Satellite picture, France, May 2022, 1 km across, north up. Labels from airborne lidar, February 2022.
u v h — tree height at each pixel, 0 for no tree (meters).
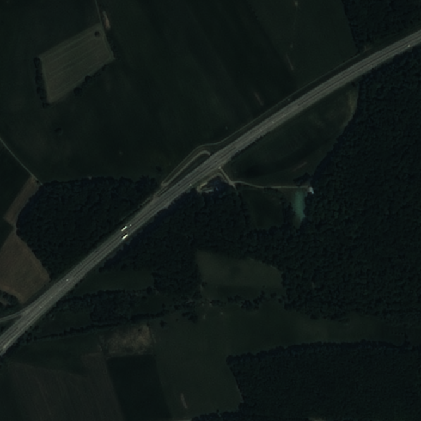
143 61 0
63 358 0
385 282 22
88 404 0
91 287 0
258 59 0
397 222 26
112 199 36
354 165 29
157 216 0
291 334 0
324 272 26
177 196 0
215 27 0
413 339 0
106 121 0
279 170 0
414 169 30
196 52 0
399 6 33
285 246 28
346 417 27
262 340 0
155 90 0
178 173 0
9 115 0
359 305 23
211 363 0
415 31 0
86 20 0
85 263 0
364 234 26
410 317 24
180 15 0
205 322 0
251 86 0
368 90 24
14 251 0
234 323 0
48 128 0
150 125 0
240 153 13
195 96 0
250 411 23
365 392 27
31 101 0
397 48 0
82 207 33
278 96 0
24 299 0
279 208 0
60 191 26
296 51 0
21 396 0
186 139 0
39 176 0
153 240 29
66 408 0
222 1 0
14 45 0
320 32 0
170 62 0
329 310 29
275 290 0
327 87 0
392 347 21
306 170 0
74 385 0
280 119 0
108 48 0
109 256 0
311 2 0
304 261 31
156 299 0
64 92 0
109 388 0
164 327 14
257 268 0
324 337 0
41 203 29
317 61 0
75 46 0
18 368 0
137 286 0
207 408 0
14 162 0
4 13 0
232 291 0
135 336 0
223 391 0
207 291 0
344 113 0
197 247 27
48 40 0
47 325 0
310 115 0
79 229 34
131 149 0
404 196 29
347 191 25
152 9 0
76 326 0
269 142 0
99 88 0
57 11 0
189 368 0
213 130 0
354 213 28
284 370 31
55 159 0
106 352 0
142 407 0
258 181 0
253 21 0
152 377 0
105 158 0
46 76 0
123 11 0
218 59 0
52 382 0
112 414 0
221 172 0
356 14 30
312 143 0
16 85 0
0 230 0
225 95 0
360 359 24
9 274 0
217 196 20
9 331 0
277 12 0
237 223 27
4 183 0
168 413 0
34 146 0
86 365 0
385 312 23
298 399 32
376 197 25
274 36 0
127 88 0
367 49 0
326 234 26
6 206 0
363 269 22
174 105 0
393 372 30
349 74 0
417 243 24
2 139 0
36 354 0
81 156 0
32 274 0
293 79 0
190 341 0
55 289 0
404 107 24
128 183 25
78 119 0
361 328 0
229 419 25
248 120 0
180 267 28
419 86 23
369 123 26
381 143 27
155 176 0
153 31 0
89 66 0
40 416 0
